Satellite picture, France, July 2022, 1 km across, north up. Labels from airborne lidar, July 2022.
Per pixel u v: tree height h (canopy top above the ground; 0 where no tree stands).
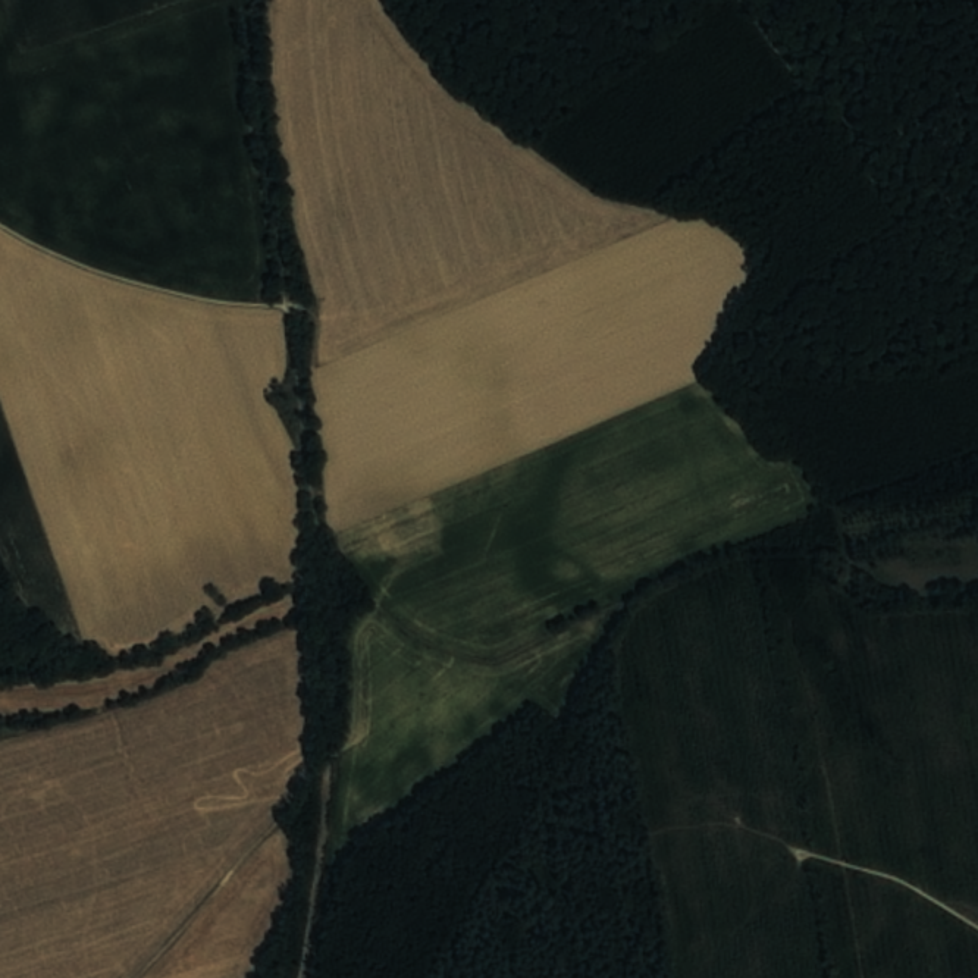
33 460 0
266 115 17
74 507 0
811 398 17
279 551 0
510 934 27
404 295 0
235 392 0
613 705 30
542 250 0
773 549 8
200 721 0
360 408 0
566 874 28
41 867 0
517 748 24
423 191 0
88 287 0
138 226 0
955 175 29
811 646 6
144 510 0
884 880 0
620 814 28
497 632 0
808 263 18
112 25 0
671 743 0
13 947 0
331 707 25
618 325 0
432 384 0
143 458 0
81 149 0
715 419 0
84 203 0
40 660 13
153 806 0
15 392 0
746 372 24
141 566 0
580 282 0
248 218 0
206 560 0
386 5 17
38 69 0
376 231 0
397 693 0
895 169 30
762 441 23
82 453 0
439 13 29
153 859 0
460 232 0
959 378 14
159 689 12
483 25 31
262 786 0
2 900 0
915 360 29
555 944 27
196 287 0
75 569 0
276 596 20
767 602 8
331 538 20
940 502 25
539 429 0
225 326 0
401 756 0
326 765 20
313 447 21
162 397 0
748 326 15
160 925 0
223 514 0
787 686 14
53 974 0
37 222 0
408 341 0
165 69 0
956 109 30
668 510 0
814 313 31
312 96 0
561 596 0
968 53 30
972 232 26
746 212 23
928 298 29
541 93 31
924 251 22
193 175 0
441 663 0
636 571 0
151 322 0
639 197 8
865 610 21
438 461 0
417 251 0
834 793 0
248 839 0
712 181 25
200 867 0
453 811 20
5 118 0
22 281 0
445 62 26
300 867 21
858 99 27
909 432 15
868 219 19
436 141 0
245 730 0
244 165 0
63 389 0
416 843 24
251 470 0
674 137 9
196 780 0
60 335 0
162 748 0
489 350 0
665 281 0
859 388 15
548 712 11
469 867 24
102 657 13
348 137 0
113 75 0
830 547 8
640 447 0
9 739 0
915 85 30
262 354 0
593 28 29
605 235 0
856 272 27
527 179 0
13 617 21
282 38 0
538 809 33
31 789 0
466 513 0
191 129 0
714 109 9
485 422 0
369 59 0
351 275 0
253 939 0
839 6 31
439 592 0
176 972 0
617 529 0
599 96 6
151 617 0
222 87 0
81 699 0
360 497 0
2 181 0
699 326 0
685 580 22
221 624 7
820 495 16
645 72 7
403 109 0
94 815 0
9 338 0
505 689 0
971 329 29
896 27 28
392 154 0
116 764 0
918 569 0
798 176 26
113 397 0
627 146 7
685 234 0
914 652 0
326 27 0
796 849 0
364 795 0
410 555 0
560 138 7
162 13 0
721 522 0
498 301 0
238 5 0
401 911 23
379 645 0
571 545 0
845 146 20
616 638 19
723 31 8
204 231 0
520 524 0
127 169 0
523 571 0
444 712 0
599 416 0
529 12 26
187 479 0
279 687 0
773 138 27
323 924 12
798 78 19
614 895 26
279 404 11
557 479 0
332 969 13
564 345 0
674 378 0
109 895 0
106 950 0
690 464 0
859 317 30
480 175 0
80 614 0
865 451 16
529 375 0
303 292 11
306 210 0
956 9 30
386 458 0
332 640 22
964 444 14
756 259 21
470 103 19
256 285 0
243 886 0
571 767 23
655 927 17
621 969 19
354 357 0
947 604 25
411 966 24
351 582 26
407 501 0
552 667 0
